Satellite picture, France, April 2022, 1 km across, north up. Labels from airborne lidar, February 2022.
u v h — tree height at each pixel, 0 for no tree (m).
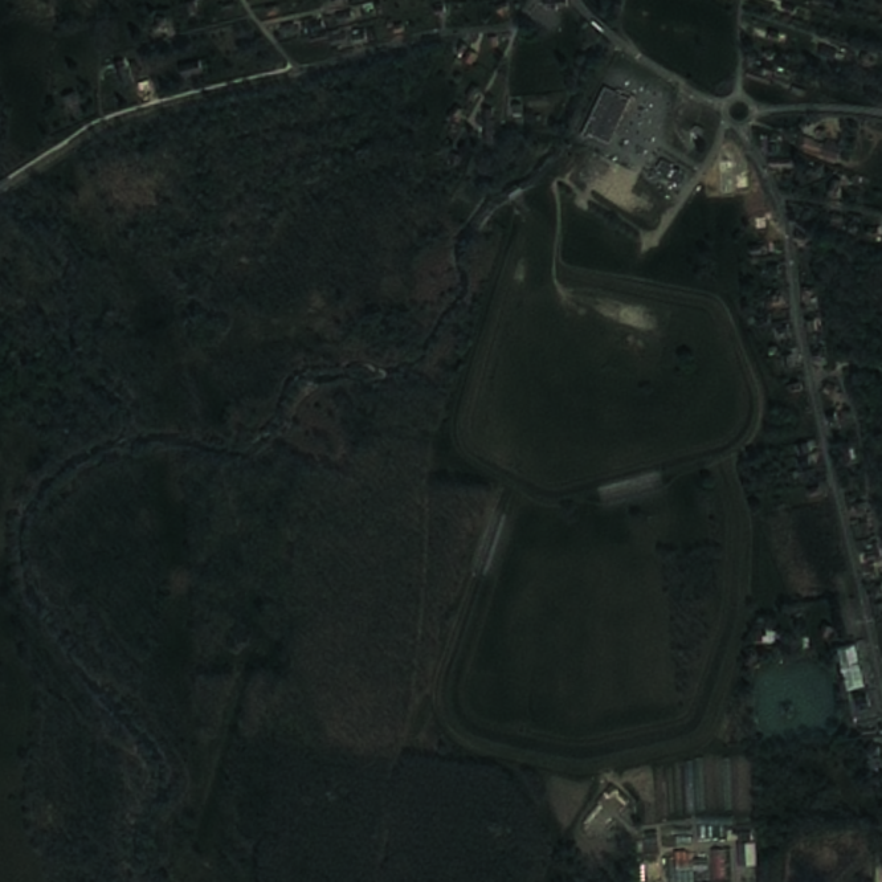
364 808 17
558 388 0
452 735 0
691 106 0
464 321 12
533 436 0
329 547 0
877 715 0
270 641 0
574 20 0
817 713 0
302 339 0
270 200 18
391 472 0
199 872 0
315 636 0
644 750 0
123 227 0
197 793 0
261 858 18
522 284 0
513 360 0
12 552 13
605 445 0
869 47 14
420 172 18
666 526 0
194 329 18
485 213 0
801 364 0
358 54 0
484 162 25
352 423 16
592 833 0
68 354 24
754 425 0
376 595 0
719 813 0
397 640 0
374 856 16
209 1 0
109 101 0
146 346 16
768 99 0
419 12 0
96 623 24
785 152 0
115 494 0
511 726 0
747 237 0
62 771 0
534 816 18
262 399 14
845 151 7
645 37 0
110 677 21
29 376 19
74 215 0
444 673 0
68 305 21
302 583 0
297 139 20
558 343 0
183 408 0
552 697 0
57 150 0
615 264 0
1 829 0
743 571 0
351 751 19
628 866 16
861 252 19
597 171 0
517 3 5
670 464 0
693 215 0
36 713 14
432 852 17
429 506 0
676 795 0
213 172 21
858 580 0
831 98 0
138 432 8
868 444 12
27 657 20
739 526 0
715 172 0
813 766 0
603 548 0
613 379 0
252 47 15
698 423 0
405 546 0
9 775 0
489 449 0
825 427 0
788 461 0
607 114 0
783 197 0
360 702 0
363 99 25
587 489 0
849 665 0
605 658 0
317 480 0
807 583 0
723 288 0
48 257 25
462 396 0
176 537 0
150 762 13
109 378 17
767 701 0
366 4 0
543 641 0
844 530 0
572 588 0
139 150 23
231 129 15
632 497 0
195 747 0
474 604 0
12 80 0
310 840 20
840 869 0
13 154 0
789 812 10
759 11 8
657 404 0
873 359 20
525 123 0
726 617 0
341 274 0
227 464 20
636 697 0
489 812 18
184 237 17
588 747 0
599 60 19
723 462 0
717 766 0
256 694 0
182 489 0
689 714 0
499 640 0
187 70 0
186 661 0
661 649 0
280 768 19
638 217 0
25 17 0
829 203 0
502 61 16
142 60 11
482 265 0
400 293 0
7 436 0
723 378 0
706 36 0
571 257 0
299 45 0
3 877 0
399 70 27
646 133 0
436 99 0
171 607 25
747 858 0
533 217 0
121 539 0
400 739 17
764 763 10
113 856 24
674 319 0
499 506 0
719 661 0
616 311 0
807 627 20
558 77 0
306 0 0
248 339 0
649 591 0
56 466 15
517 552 0
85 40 0
